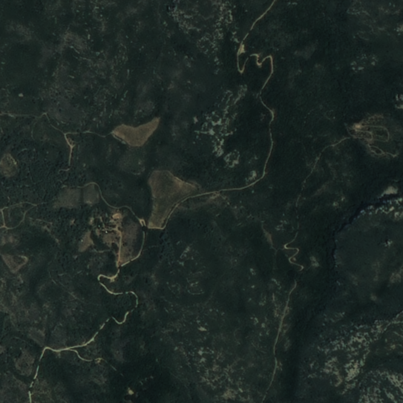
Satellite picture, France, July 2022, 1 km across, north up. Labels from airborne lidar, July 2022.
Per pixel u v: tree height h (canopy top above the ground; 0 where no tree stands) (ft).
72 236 28
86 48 0
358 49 24
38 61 0
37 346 30
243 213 37
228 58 22
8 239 0
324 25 23
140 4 0
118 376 33
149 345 39
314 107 23
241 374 0
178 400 24
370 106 17
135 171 31
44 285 0
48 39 22
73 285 0
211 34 0
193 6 0
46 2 0
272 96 20
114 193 0
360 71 27
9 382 23
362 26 0
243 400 0
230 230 19
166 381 44
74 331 25
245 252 20
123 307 42
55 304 18
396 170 21
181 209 0
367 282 0
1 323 42
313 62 31
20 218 0
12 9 0
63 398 24
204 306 0
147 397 44
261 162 18
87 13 0
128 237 0
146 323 38
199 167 26
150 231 25
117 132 0
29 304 0
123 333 22
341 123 21
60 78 0
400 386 0
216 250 46
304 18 27
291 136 32
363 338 0
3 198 24
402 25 0
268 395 23
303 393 0
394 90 23
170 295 0
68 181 46
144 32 0
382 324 0
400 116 24
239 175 24
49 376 27
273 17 19
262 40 24
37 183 31
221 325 0
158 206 0
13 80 0
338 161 24
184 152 22
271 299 0
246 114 25
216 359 0
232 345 0
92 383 27
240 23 19
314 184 28
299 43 21
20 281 29
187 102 0
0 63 0
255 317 0
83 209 37
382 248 0
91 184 0
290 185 21
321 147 30
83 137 23
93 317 20
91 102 18
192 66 0
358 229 0
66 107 0
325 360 0
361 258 0
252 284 0
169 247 36
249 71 20
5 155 0
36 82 0
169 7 21
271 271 26
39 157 40
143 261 29
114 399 21
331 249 27
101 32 0
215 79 0
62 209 52
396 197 22
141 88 0
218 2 0
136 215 19
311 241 28
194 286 0
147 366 34
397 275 0
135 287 24
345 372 0
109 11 0
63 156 36
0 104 0
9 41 0
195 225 27
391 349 0
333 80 37
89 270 23
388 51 28
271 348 23
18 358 26
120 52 0
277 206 20
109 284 0
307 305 30
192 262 0
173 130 0
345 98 26
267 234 0
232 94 22
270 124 20
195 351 0
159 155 0
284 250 0
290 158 22
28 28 0
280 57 34
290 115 21
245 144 23
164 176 0
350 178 24
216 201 0
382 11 0
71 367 27
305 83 25
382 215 0
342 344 0
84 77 0
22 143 32
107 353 26
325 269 18
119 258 0
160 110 22
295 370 18
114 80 0
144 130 0
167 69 0
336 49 23
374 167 42
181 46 19
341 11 22
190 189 0
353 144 25
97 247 30
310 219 30
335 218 22
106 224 30
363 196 19
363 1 0
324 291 28
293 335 25
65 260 33
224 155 23
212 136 0
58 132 0
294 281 22
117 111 0
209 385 0
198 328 0
